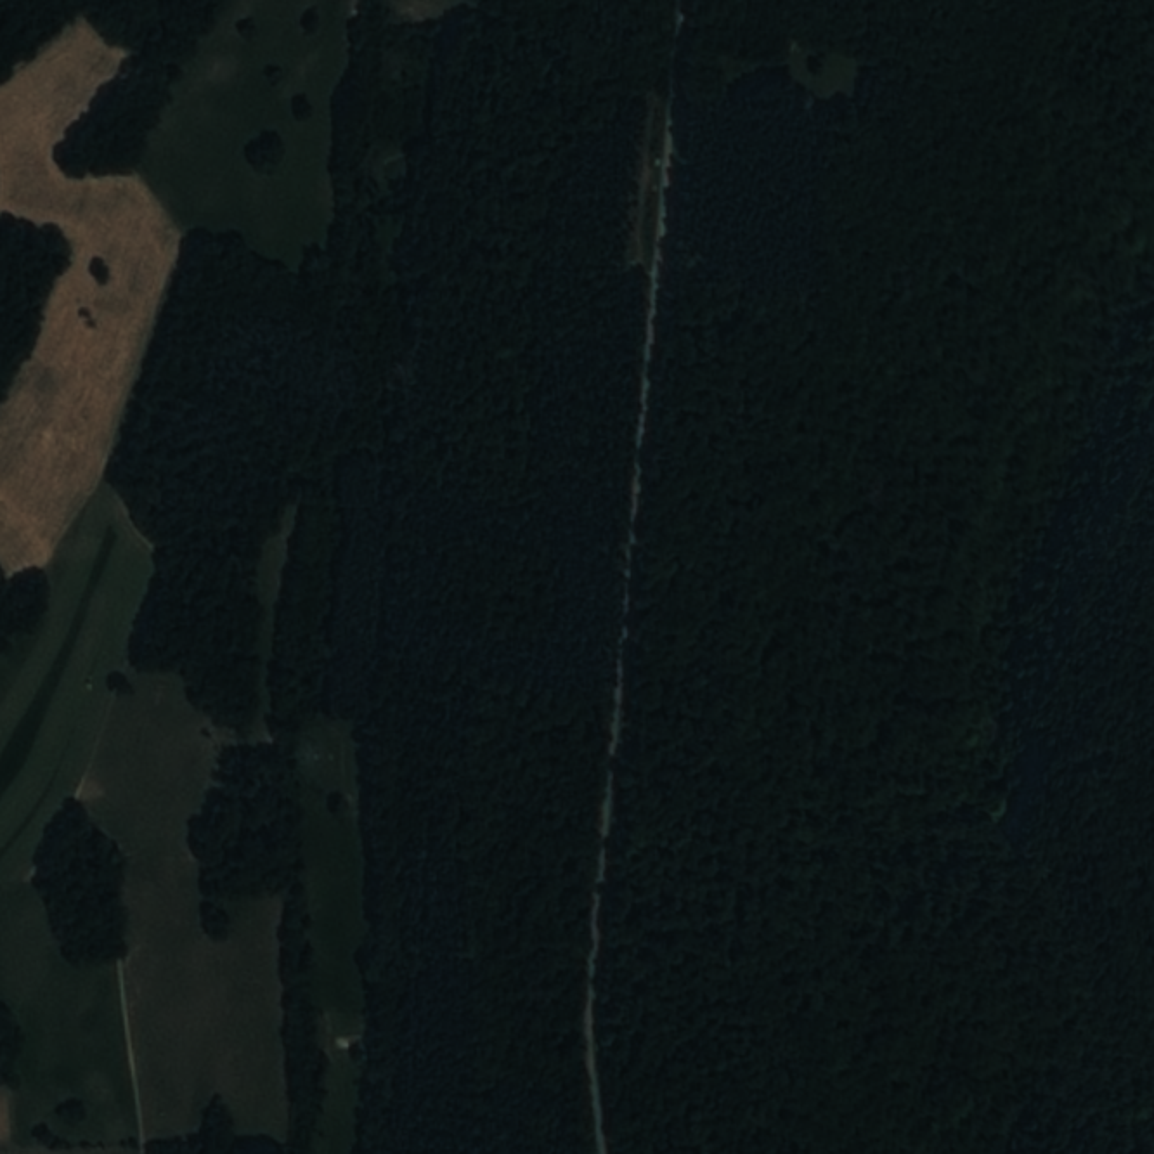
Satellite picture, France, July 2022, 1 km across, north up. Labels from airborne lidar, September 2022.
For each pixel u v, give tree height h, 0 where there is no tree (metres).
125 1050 0
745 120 30
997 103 23
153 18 18
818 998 29
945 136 21
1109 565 21
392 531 27
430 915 16
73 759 0
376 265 11
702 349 26
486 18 12
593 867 26
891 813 38
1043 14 23
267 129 0
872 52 23
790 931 27
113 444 0
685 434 27
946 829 33
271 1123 0
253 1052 0
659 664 28
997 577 31
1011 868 30
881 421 26
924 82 20
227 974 0
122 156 20
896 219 24
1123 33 15
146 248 0
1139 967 25
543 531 21
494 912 23
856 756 34
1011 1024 31
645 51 24
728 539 24
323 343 27
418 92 5
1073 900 23
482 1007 22
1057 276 18
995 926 28
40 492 0
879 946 32
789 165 27
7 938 0
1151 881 29
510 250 24
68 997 0
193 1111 0
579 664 33
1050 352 30
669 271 23
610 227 17
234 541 18
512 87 24
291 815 27
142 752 0
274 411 24
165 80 13
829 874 35
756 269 26
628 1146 21
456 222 21
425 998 20
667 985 27
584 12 23
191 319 20
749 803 30
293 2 0
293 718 19
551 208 17
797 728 32
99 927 24
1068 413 20
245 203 0
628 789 26
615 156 20
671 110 0
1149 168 23
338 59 0
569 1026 14
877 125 26
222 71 0
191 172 0
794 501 30
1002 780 43
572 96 21
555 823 21
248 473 28
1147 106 23
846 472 31
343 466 18
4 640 23
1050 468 30
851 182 25
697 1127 25
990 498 27
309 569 20
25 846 0
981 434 30
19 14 23
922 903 32
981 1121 14
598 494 19
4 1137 0
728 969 22
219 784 17
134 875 0
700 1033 25
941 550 37
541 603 19
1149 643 29
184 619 18
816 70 18
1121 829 29
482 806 24
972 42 21
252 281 20
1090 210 24
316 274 18
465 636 26
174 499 24
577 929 27
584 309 19
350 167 21
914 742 27
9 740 0
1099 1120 23
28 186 0
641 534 18
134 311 0
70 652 0
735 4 28
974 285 27
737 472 28
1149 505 22
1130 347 36
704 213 30
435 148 24
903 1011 30
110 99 24
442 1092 16
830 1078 31
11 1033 17
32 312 22
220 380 25
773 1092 25
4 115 0
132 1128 0
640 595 24
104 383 0
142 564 0
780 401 24
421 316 23
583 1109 16
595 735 28
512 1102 22
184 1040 0
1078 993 23
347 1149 0
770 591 32
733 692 25
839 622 23
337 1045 0
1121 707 32
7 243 22
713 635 27
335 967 0
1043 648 30
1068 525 13
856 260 22
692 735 27
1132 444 21
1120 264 39
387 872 21
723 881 27
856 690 34
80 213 0
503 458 24
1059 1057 29
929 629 37
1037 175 25
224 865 23
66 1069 0
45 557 0
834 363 26
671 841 25
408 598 24
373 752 30
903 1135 27
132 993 0
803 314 25
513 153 24
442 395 23
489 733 18
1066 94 27
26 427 0
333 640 20
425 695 16
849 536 29
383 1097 21
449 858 14
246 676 24
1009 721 26
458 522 21
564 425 19
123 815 0
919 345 28
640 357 21
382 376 6
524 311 20
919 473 30
